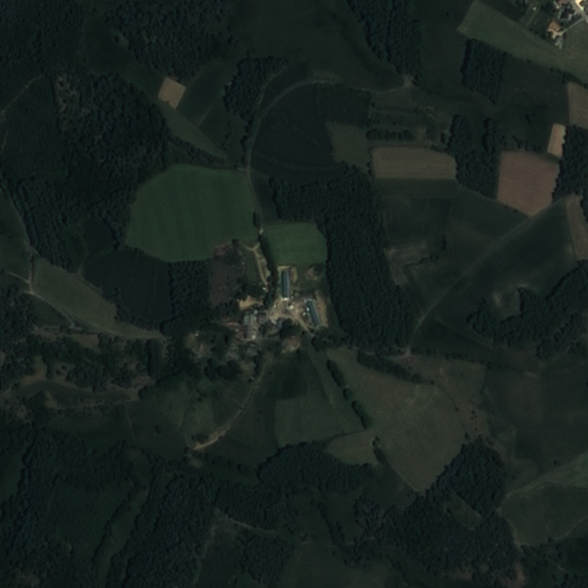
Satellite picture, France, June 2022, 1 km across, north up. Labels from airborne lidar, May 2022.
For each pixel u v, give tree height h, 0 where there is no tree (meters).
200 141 0
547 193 0
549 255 0
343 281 21
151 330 11
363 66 0
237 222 0
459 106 0
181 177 0
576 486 0
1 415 8
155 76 0
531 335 25
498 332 22
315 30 0
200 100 0
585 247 0
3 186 19
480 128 0
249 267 0
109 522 7
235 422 0
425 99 0
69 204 28
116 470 20
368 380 0
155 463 14
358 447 0
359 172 14
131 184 22
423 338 0
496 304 0
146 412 0
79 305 0
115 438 0
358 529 0
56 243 26
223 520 0
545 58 0
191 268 23
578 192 14
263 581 21
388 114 0
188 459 15
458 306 0
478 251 0
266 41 0
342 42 0
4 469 16
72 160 13
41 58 14
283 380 0
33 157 6
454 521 11
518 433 0
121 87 20
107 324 0
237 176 0
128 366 9
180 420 0
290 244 0
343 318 23
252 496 17
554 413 0
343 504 0
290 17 0
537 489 0
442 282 0
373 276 24
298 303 0
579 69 0
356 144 0
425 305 0
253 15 0
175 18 15
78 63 20
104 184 17
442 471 0
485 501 31
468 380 0
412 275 0
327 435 0
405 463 0
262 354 18
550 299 16
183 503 20
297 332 21
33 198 27
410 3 27
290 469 27
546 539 0
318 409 0
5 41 14
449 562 13
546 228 0
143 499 0
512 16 0
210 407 0
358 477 32
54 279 0
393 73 0
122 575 9
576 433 0
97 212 28
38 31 15
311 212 23
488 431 0
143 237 0
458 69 0
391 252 0
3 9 10
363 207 24
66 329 12
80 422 0
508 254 0
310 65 0
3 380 17
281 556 19
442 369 0
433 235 0
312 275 0
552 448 0
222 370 20
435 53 0
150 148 19
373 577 0
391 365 9
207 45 19
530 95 0
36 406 12
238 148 0
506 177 0
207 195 0
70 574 21
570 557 0
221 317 14
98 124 17
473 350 0
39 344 12
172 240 0
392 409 0
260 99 26
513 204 0
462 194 0
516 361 0
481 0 0
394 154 0
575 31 0
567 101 0
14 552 26
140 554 17
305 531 8
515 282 0
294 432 0
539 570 8
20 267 0
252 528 21
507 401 0
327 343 11
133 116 9
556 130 0
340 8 0
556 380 0
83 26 19
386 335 28
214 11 14
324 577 0
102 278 0
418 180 0
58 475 17
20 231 0
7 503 18
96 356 12
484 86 26
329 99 0
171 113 0
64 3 14
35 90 7
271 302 18
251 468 10
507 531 21
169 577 23
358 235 23
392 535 9
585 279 27
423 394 0
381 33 29
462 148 23
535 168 0
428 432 0
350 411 0
